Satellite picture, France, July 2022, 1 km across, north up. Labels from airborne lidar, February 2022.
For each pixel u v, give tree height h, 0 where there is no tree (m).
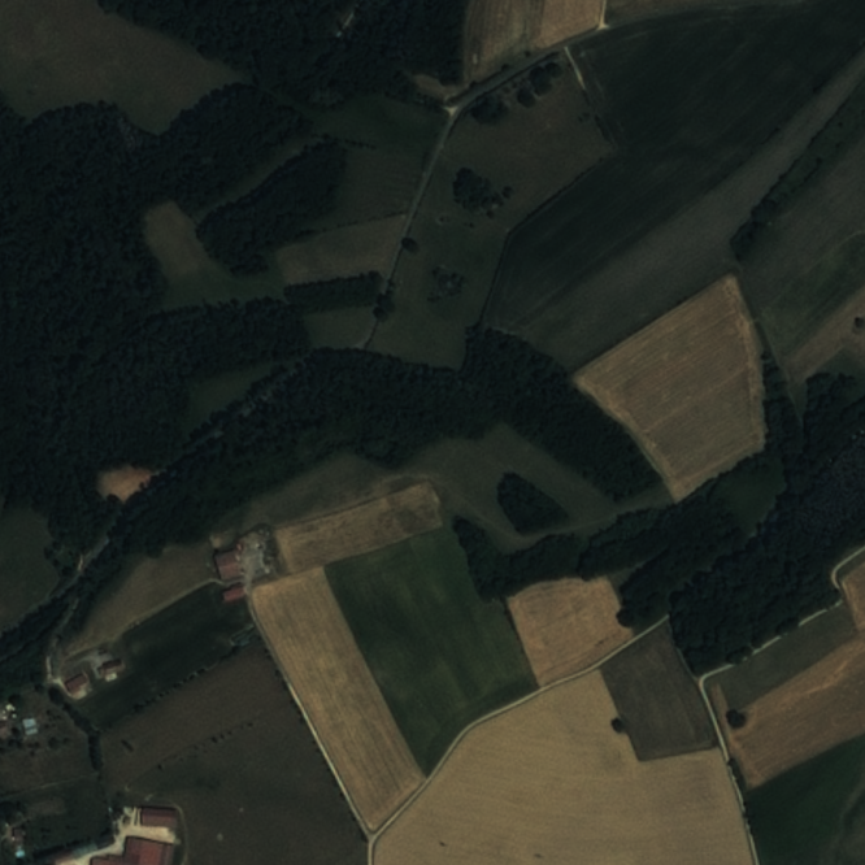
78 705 0
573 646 0
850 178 0
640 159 0
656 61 0
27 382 23
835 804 0
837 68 0
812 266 0
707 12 0
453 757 0
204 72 0
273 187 17
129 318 18
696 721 0
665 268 0
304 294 13
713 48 0
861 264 0
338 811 0
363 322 0
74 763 0
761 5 0
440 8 16
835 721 0
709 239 0
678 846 0
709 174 0
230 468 12
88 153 22
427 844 0
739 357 0
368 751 0
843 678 0
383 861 0
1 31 0
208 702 0
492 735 0
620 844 0
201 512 10
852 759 0
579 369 0
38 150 26
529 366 14
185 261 0
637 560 14
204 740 0
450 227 0
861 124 0
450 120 0
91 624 0
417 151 0
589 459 12
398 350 0
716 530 16
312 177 17
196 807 0
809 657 0
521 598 0
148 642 0
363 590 0
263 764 0
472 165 0
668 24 0
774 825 0
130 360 25
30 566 0
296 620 0
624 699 0
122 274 34
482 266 0
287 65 30
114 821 0
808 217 0
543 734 0
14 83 0
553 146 0
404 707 0
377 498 0
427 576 0
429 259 0
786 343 0
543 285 0
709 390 0
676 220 0
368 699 0
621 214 0
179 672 0
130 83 0
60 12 0
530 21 0
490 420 12
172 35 11
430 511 0
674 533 17
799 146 0
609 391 0
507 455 0
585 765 0
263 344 18
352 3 19
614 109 0
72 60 0
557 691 0
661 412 0
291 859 0
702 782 0
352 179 0
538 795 0
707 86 0
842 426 15
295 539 0
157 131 0
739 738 0
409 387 25
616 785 0
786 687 0
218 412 0
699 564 15
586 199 0
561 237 0
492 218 9
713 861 0
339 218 0
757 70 0
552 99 0
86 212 30
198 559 0
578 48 0
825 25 0
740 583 10
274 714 0
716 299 0
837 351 0
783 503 15
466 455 0
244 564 0
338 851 0
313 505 0
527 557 10
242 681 0
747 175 0
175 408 23
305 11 22
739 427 0
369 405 8
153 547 15
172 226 0
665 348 0
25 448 22
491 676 0
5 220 21
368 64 26
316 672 0
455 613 0
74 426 22
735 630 14
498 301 0
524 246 0
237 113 26
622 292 0
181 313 13
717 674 0
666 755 0
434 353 0
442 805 0
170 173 27
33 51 0
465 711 0
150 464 23
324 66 20
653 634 0
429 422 12
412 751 0
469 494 0
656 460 0
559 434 7
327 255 0
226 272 0
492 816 0
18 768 0
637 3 0
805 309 0
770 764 0
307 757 0
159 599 0
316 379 21
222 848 0
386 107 0
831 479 16
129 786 0
